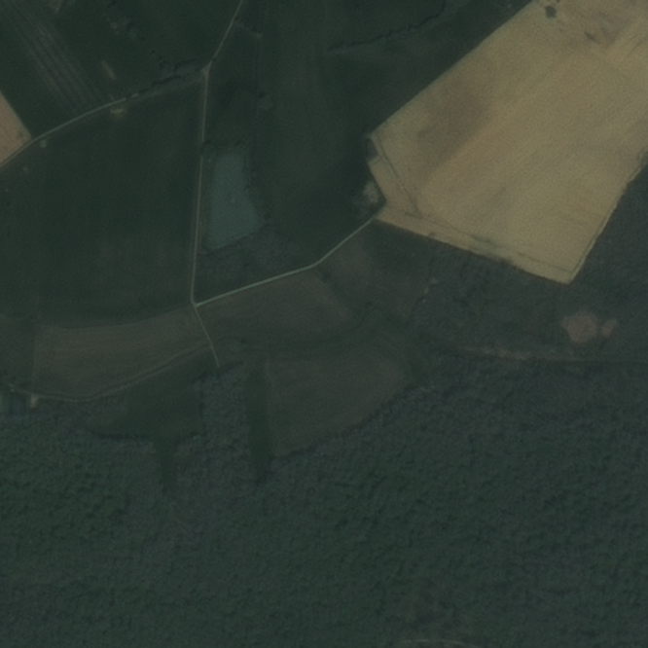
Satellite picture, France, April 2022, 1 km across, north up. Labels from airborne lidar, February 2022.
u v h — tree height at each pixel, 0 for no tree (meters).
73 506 30
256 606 25
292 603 26
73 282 0
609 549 28
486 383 15
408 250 0
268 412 0
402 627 28
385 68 0
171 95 0
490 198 0
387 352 0
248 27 9
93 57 0
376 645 24
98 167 0
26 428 24
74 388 0
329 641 29
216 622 27
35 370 0
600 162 0
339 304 0
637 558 26
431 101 0
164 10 0
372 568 22
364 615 25
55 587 14
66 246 0
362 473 24
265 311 0
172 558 26
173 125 0
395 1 0
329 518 24
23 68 0
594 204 0
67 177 0
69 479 24
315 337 0
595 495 27
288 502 28
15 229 0
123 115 0
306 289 0
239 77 0
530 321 0
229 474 27
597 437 28
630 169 0
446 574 22
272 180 0
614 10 0
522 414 25
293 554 27
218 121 0
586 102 0
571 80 0
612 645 21
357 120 0
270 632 26
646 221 14
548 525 23
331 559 28
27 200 0
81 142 0
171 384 0
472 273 20
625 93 0
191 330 0
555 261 0
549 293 15
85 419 20
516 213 0
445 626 20
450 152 0
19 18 0
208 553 29
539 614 29
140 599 24
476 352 0
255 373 0
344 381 0
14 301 0
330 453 26
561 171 0
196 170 0
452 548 23
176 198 0
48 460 27
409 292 0
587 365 7
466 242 0
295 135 0
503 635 25
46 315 0
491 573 29
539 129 0
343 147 0
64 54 0
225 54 0
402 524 22
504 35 0
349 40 0
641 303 18
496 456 31
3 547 20
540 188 0
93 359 0
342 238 0
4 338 0
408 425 29
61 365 0
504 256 0
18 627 23
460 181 0
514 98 0
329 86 0
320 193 0
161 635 26
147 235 0
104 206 0
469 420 28
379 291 0
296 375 0
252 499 26
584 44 0
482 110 0
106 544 29
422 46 0
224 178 0
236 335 0
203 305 0
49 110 0
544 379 24
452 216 0
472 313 31
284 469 23
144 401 0
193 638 27
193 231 0
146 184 0
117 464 25
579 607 29
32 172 0
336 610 23
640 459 12
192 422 0
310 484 29
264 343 0
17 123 0
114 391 0
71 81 0
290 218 0
